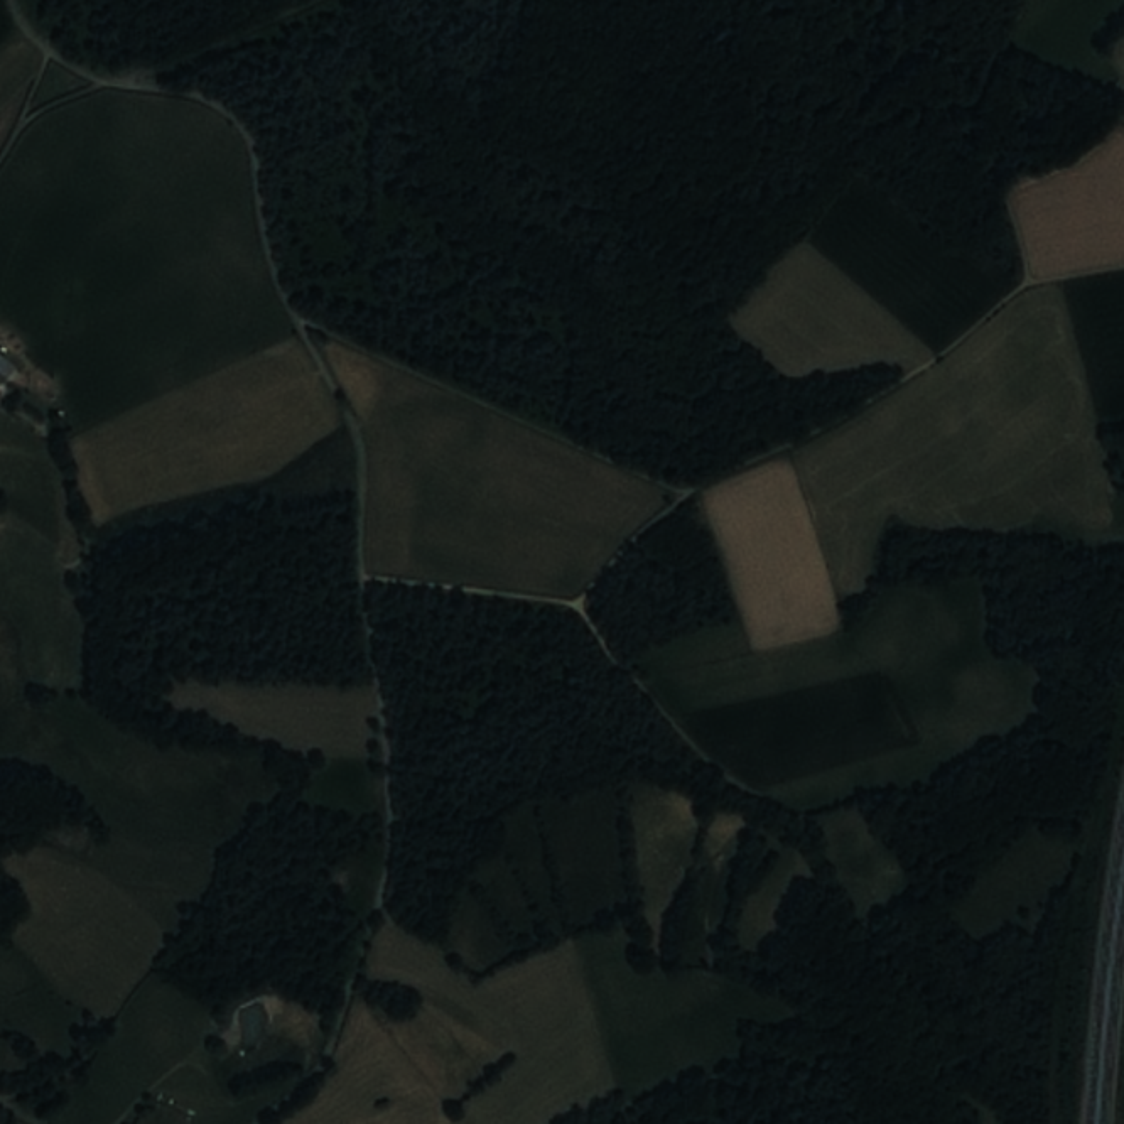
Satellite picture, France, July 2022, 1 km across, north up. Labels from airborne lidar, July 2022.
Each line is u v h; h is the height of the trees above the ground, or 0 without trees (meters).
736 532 0
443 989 0
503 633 16
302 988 20
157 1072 0
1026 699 0
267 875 16
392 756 6
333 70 24
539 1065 0
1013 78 24
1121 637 21
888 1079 25
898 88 25
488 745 12
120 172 0
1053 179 0
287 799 11
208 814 0
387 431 0
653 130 25
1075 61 0
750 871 17
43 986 0
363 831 6
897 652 0
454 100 19
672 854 0
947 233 16
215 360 0
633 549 17
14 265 0
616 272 21
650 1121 10
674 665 0
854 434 0
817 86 27
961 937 16
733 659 0
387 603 15
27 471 0
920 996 23
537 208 18
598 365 16
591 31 22
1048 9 0
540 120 23
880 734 0
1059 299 0
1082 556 19
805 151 18
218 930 17
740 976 12
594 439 16
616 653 13
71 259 0
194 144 0
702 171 28
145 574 19
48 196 0
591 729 17
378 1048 0
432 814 12
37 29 0
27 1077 9
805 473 0
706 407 20
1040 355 0
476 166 23
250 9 17
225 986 21
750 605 0
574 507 0
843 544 0
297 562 8
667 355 9
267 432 0
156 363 0
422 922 19
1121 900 0
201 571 19
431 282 13
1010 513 0
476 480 0
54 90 0
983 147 23
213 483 0
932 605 0
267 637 21
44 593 0
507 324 17
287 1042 0
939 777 12
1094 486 0
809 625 0
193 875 0
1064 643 24
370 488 0
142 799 0
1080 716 11
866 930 13
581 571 0
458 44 20
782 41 28
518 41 18
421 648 18
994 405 0
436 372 14
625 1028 0
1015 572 19
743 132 22
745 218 17
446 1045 0
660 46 22
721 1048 0
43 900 0
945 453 0
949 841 25
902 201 16
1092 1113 0
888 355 0
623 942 0
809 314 0
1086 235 0
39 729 0
